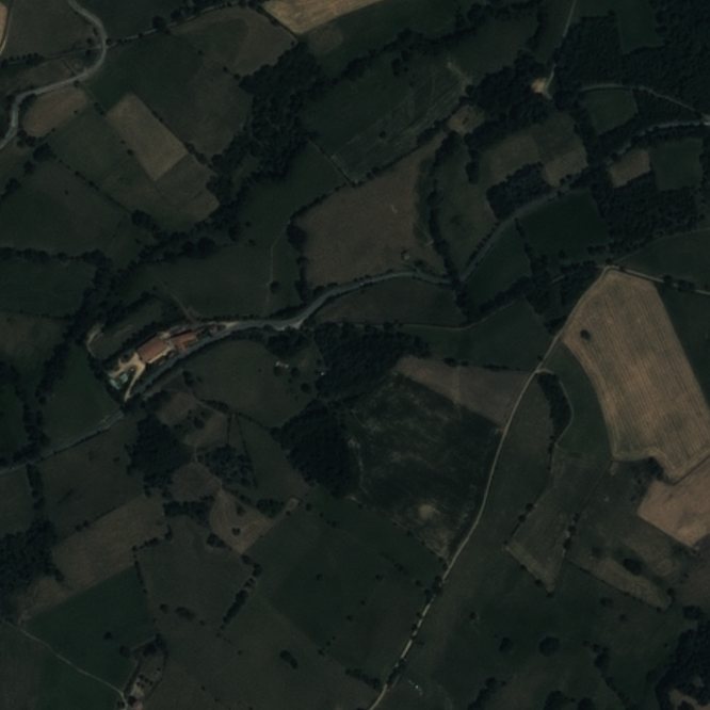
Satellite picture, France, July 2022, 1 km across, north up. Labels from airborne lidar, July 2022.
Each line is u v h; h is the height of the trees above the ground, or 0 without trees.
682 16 18
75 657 0
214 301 0
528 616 0
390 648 0
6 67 8
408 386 0
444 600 0
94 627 0
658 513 0
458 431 0
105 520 0
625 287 0
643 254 0
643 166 0
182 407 0
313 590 0
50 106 0
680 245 0
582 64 11
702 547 0
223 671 0
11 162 0
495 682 16
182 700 0
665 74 9
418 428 0
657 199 10
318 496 0
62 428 0
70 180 0
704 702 15
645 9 0
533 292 18
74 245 0
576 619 0
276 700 0
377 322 0
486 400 0
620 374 0
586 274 9
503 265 0
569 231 0
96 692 0
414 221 0
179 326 0
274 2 0
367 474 0
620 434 0
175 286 0
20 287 0
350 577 0
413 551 0
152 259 8
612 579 0
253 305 0
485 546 0
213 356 0
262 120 13
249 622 0
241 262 0
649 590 0
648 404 0
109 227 0
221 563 0
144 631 0
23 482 0
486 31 0
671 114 14
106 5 0
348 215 0
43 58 9
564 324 10
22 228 0
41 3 0
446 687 0
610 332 0
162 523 0
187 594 0
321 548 0
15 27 0
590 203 0
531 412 0
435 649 0
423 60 0
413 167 0
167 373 8
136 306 11
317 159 0
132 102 0
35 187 0
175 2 0
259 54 0
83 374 0
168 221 0
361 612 0
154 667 0
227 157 7
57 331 0
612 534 0
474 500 0
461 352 0
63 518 0
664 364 0
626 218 11
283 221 0
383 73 0
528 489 0
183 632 0
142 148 0
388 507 0
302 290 21
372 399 0
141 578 7
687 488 0
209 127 0
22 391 14
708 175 10
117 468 0
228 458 11
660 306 0
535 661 0
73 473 0
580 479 0
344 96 0
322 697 0
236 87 0
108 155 0
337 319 0
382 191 0
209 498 9
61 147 0
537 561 0
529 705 0
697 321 0
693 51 20
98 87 0
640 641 0
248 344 0
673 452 0
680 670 17
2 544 14
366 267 0
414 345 16
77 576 0
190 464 0
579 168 0
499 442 0
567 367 0
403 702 0
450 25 0
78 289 0
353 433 0
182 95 0
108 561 0
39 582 0
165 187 0
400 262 0
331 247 0
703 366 0
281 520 0
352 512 0
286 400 0
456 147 16
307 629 0
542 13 13
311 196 0
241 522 0
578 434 0
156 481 13
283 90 20
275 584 0
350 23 0
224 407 14
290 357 14
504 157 0
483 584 0
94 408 0
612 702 0
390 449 0
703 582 0
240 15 0
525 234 13
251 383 0
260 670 0
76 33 0
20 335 0
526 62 13
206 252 19
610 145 14
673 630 0
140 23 0
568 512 0
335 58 0
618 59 11
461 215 0
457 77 0
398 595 0
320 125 0
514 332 0
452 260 10
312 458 14
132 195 0
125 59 0
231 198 7
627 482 0
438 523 0
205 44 0
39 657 0
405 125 0
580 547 0
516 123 16
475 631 0
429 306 0
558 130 0
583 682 0
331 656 0
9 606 0
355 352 13
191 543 0
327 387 16
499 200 18
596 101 0
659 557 0
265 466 0
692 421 0
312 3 0
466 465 0
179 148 0
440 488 0
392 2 0
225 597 0
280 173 19
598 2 0
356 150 0
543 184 13
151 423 9
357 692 0
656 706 0
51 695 0
